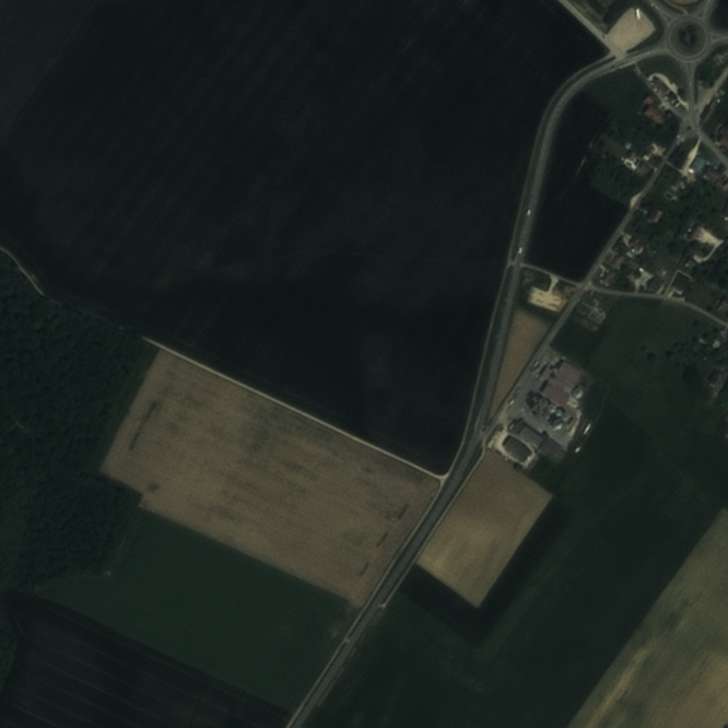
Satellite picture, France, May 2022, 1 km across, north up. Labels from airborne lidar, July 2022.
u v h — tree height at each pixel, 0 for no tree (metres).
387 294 0
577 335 0
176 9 0
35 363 33
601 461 0
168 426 0
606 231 0
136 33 0
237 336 0
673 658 0
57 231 0
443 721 0
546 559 0
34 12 0
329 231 0
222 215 0
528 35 0
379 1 0
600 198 0
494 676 0
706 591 0
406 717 0
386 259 0
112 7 0
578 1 0
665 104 0
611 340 0
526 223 0
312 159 0
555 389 0
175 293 0
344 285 0
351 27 0
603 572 0
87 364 21
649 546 0
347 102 0
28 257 0
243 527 0
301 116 0
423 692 0
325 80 0
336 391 0
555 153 0
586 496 0
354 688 0
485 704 0
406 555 0
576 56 0
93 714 0
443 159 0
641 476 0
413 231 0
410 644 0
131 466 0
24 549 23
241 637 0
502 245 0
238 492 0
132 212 0
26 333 32
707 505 0
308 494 0
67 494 22
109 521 22
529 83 0
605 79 0
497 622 0
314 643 0
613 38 0
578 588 0
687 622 0
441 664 0
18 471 21
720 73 0
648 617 0
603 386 0
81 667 0
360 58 0
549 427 0
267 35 0
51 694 0
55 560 17
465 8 0
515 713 0
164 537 0
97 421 21
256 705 0
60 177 0
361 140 0
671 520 0
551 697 0
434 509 0
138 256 0
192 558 0
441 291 0
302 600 0
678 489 0
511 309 0
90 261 0
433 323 0
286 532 0
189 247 0
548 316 0
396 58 0
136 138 0
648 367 0
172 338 0
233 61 0
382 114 0
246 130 0
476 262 0
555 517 0
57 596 0
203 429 0
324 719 0
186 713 0
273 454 0
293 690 0
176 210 0
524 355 0
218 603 0
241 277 0
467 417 0
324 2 0
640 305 0
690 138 0
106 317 0
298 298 0
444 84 0
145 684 0
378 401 0
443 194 0
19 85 0
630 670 0
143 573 0
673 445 0
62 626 0
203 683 0
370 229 0
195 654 0
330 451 0
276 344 0
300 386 0
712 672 0
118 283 0
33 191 0
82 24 0
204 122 0
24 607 0
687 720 0
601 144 8
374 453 0
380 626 0
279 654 0
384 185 0
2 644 19
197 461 0
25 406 32
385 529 0
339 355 0
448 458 0
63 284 0
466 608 0
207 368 0
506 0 0
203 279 0
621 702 0
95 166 0
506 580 0
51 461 22
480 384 0
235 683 0
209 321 0
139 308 0
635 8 0
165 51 0
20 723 0
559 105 0
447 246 0
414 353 0
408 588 0
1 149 0
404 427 0
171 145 0
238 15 0
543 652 0
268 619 0
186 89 0
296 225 0
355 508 0
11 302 29
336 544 0
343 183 0
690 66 0
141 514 0
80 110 0
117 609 0
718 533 0
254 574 0
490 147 0
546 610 0
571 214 0
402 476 0
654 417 0
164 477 0
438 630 0
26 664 0
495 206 0
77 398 22
